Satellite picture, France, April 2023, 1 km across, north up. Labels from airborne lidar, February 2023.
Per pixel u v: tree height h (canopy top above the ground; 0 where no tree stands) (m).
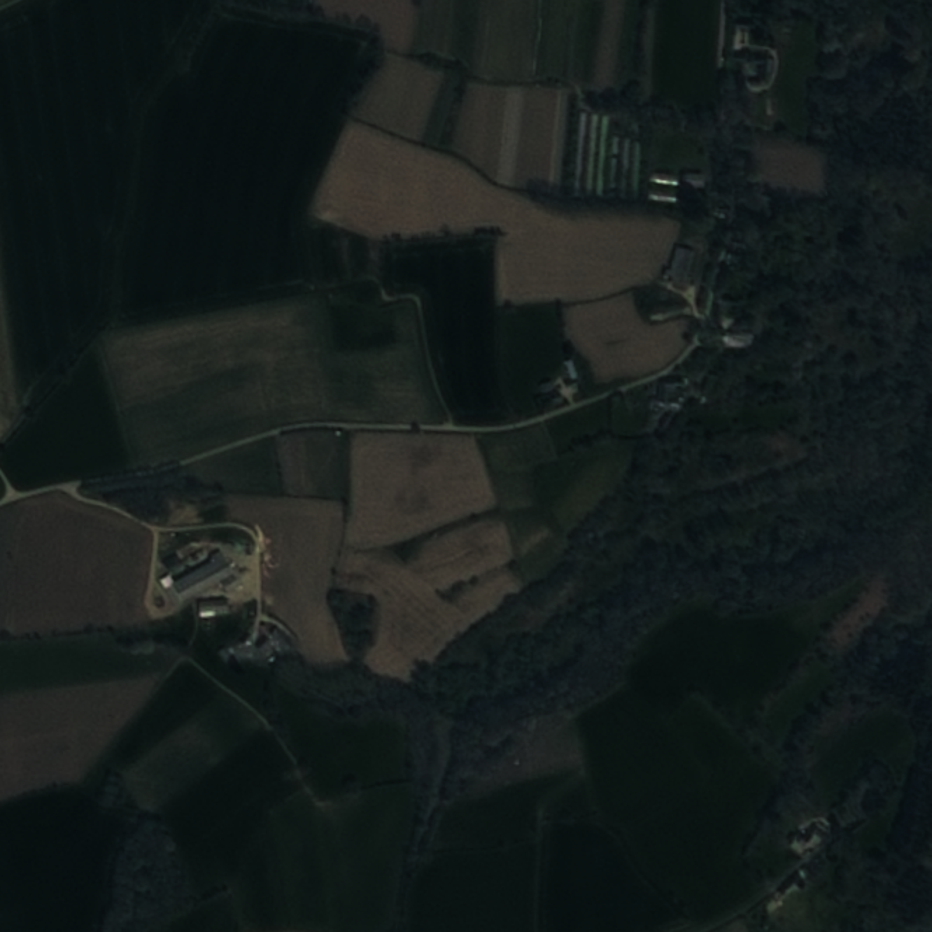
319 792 0
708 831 0
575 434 0
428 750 25
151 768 0
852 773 0
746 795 0
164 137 0
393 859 0
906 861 24
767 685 0
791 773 14
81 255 0
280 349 0
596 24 0
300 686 21
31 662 0
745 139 28
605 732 0
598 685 9
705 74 0
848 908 9
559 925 0
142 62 0
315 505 0
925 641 17
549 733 0
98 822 0
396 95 0
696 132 18
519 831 0
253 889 0
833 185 24
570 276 0
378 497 0
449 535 0
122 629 0
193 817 0
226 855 0
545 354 0
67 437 0
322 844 0
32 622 0
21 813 0
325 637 0
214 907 0
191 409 0
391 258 0
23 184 0
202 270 0
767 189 0
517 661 7
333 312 0
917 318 17
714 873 0
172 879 18
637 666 0
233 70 0
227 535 0
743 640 0
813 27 0
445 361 0
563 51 0
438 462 0
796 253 13
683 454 14
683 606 0
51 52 0
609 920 0
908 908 26
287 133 0
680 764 0
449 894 0
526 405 0
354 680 22
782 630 0
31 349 0
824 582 17
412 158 0
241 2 15
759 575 23
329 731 0
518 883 0
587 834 0
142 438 0
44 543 0
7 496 0
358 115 0
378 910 0
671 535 0
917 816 26
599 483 0
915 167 22
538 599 21
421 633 0
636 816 0
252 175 0
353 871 0
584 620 8
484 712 20
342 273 0
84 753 0
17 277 0
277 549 0
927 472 44
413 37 0
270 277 0
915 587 19
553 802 0
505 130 0
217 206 0
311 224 0
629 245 0
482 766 13
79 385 0
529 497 0
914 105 18
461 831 0
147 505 15
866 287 27
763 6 13
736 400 8
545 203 28
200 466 0
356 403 0
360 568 0
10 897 0
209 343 0
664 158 0
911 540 18
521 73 0
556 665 0
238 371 0
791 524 23
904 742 0
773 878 12
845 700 0
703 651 0
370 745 0
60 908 0
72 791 0
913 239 0
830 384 19
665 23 0
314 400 0
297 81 0
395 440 0
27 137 0
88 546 0
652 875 0
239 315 0
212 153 0
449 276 0
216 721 0
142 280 0
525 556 0
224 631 0
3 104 0
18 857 0
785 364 14
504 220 0
